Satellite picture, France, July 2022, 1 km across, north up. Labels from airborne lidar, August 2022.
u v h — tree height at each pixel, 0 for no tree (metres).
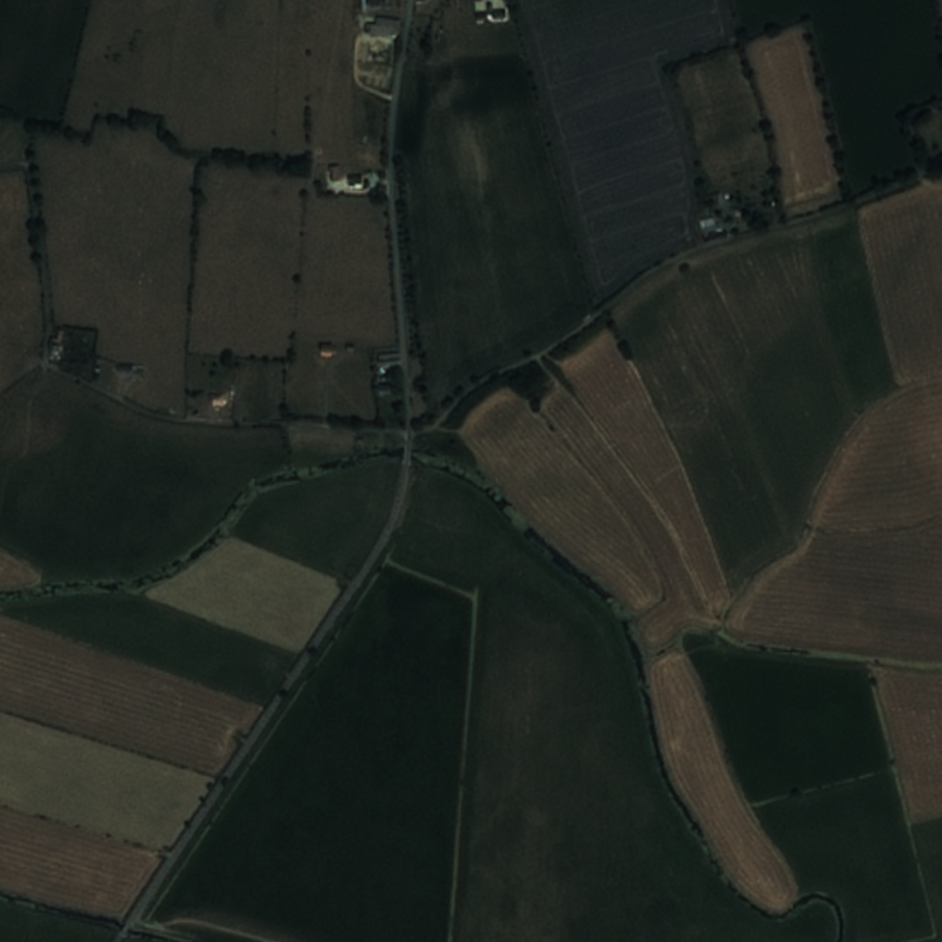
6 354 0
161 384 0
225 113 0
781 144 0
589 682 0
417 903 0
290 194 0
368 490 0
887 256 0
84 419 0
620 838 0
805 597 0
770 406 0
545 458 0
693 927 0
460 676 0
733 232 7
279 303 0
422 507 0
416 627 0
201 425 0
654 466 0
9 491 0
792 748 0
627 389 0
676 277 0
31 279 0
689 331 0
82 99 0
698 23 0
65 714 0
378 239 0
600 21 0
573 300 0
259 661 0
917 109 10
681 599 0
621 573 0
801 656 0
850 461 0
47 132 13
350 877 0
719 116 0
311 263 0
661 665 0
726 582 0
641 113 0
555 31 0
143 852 0
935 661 0
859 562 0
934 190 0
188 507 0
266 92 0
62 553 0
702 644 0
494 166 0
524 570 0
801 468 0
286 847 0
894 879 0
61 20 0
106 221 0
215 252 0
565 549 0
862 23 0
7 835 0
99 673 0
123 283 0
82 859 0
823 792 0
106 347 0
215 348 0
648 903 0
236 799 0
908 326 0
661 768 0
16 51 0
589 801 0
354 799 0
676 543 0
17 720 0
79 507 0
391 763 0
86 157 0
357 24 0
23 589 0
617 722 0
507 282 0
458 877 0
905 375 0
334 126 0
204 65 0
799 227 0
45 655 0
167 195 0
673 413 0
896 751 0
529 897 0
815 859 0
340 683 0
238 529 0
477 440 0
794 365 0
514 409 0
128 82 0
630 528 0
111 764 0
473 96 0
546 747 0
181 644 0
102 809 0
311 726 0
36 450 0
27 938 0
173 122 0
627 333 0
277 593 0
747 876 0
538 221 0
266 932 0
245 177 0
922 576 0
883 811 0
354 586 0
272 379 0
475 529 0
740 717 0
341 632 0
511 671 0
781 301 0
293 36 0
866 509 0
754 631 0
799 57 0
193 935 0
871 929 0
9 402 0
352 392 0
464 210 0
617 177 0
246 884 0
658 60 0
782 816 0
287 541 0
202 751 0
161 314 0
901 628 0
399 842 0
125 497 0
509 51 0
